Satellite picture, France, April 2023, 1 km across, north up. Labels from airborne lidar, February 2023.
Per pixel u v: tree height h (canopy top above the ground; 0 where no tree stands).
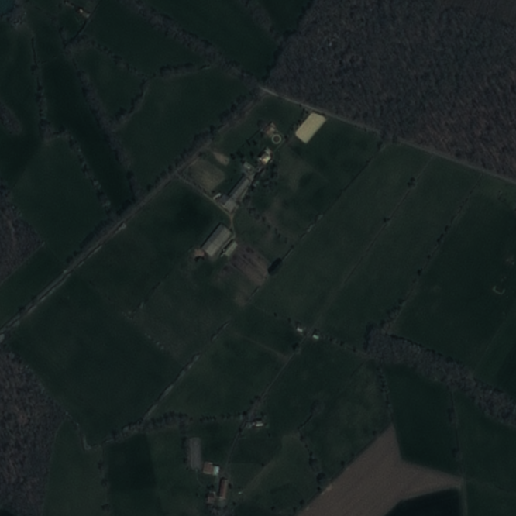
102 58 0
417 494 0
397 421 0
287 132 0
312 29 16
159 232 0
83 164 11
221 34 0
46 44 0
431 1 23
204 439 0
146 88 14
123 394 0
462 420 0
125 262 0
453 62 25
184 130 0
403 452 0
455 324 0
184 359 0
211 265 0
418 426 0
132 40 0
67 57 10
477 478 0
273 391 0
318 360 0
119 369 0
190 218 0
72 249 0
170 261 0
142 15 14
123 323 0
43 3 0
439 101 28
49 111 0
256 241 0
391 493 0
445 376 14
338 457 0
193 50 14
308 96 20
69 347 0
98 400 0
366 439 0
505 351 0
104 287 0
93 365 0
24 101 0
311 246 0
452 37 25
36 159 0
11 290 0
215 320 0
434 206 0
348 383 0
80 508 0
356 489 0
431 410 0
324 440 0
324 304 0
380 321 0
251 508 0
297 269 0
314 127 0
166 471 0
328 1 18
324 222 0
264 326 0
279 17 0
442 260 0
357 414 0
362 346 0
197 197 0
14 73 0
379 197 0
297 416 0
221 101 0
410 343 12
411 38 26
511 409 14
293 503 0
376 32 20
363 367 0
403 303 14
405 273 0
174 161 0
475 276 0
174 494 0
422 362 17
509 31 27
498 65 22
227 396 0
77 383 0
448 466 0
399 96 18
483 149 21
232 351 0
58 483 0
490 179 0
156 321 0
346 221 0
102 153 0
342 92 20
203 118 0
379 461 0
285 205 0
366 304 0
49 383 0
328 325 0
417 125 24
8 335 0
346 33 12
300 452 0
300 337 0
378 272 0
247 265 0
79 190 0
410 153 0
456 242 0
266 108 0
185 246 0
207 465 0
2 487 24
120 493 0
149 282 0
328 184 0
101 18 0
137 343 0
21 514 17
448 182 0
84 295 0
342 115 16
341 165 0
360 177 0
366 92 20
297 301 0
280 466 0
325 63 12
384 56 23
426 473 0
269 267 0
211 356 0
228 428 0
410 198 0
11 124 18
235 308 0
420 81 25
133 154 0
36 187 0
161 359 0
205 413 0
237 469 0
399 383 0
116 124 20
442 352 0
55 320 0
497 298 0
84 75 18
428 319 0
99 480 0
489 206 0
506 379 0
